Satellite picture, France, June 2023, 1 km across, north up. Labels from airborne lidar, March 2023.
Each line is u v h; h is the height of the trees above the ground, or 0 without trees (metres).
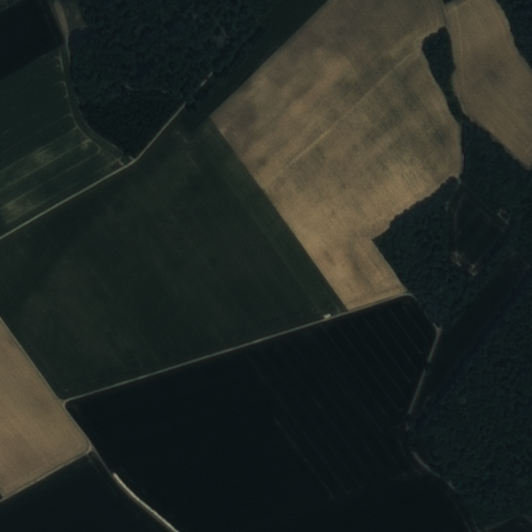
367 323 0
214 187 0
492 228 0
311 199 0
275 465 0
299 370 0
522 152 0
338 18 0
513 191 19
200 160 0
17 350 0
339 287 0
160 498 0
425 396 0
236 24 27
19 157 0
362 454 0
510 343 13
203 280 0
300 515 0
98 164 0
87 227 0
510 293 0
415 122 0
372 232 0
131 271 0
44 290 0
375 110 0
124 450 0
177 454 0
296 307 0
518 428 22
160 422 0
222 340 0
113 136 7
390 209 0
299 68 0
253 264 0
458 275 23
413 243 21
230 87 0
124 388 0
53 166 0
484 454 25
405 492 0
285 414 0
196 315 0
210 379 0
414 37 0
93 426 0
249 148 0
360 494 0
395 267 6
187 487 0
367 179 0
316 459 0
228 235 0
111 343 0
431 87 0
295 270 0
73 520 0
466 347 0
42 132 0
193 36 24
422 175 0
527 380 24
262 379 0
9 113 0
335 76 0
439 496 0
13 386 0
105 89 24
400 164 0
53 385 0
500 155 20
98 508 0
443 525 0
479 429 22
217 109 0
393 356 0
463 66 0
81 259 0
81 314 0
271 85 0
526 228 10
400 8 0
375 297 0
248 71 0
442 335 0
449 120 0
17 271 0
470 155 18
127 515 0
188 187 0
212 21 24
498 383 26
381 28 0
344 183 0
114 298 0
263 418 0
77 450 0
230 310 0
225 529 0
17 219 0
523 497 22
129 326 0
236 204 0
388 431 0
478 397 22
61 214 0
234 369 0
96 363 0
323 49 0
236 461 0
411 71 0
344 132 0
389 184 0
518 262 0
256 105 0
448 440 24
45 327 0
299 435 0
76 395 0
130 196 0
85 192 0
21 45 0
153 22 25
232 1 19
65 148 0
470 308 0
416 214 18
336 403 0
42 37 0
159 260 0
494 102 0
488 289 0
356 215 0
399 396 0
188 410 0
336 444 0
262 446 0
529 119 0
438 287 23
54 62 0
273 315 0
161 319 0
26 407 0
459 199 0
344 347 0
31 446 0
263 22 0
